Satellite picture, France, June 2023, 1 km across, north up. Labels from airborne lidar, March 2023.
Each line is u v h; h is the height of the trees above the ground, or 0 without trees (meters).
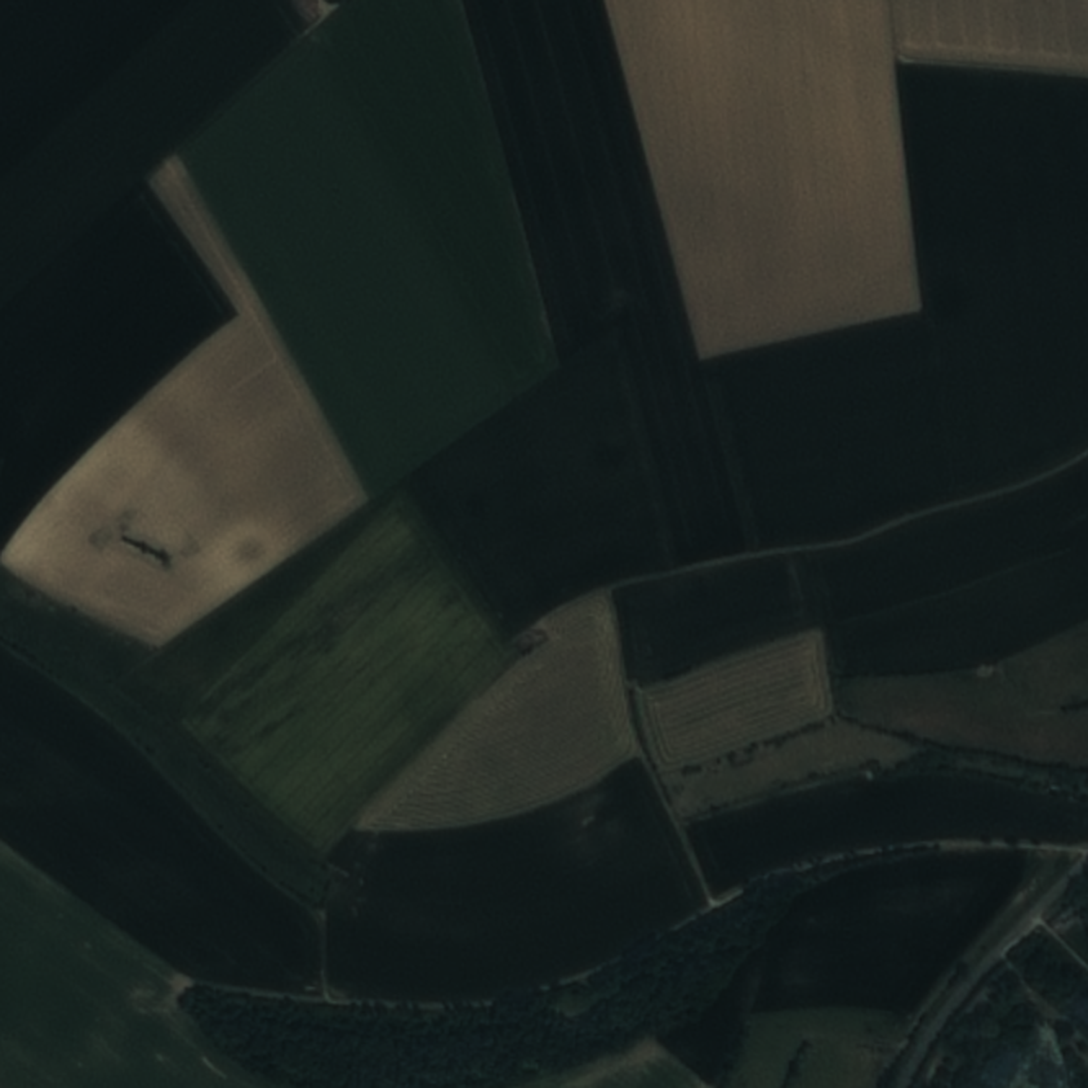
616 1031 16
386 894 0
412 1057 19
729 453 0
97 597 0
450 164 0
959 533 0
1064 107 0
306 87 0
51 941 0
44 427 0
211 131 0
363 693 0
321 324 0
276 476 0
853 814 0
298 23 0
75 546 0
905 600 0
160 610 0
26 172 0
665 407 0
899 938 0
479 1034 19
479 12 0
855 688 0
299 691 0
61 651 0
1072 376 0
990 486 0
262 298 0
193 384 0
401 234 0
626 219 0
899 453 0
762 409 0
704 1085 0
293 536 0
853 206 0
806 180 0
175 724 0
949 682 0
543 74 0
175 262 0
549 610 0
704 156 0
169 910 0
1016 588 0
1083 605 0
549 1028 8
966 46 0
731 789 0
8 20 0
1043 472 0
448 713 0
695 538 0
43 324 0
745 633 0
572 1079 0
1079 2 0
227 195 0
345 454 0
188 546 0
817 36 0
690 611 0
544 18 0
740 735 0
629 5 0
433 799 0
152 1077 0
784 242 0
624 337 0
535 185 0
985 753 6
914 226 0
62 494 0
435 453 0
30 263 0
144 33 0
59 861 0
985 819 0
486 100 0
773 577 0
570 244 0
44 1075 0
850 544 0
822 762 0
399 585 0
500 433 0
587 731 0
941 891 0
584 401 0
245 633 0
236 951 0
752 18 0
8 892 0
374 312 0
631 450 0
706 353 0
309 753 0
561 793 0
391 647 0
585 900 0
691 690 0
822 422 0
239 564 0
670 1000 24
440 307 0
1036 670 0
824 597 0
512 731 0
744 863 0
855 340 0
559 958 0
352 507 0
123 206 0
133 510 0
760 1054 0
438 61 0
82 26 0
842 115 0
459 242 0
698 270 0
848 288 0
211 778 0
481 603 0
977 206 0
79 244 0
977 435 0
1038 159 0
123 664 0
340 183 0
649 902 0
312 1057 17
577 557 0
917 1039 9
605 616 0
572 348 0
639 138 0
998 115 0
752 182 0
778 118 0
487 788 0
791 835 0
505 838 0
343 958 0
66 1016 0
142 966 0
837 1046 0
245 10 0
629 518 0
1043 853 0
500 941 0
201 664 0
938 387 0
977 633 0
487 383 0
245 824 0
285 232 0
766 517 0
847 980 0
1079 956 0
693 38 0
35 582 0
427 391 0
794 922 0
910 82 0
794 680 0
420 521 0
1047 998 6
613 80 0
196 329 0
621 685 0
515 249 0
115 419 0
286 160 0
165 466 0
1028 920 0
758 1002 0
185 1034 0
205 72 0
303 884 0
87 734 0
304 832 0
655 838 0
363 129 0
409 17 0
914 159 0
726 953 22
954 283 0
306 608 0
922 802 0
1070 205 0
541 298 0
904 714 0
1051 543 0
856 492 0
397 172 0
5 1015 0
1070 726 0
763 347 0
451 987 0
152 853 0
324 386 0
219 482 0
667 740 0
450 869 0
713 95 0
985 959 0
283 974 0
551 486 0
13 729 0
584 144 0
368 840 0
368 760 0
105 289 0
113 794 0
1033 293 0
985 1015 19
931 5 0
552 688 0
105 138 0
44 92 0
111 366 0
